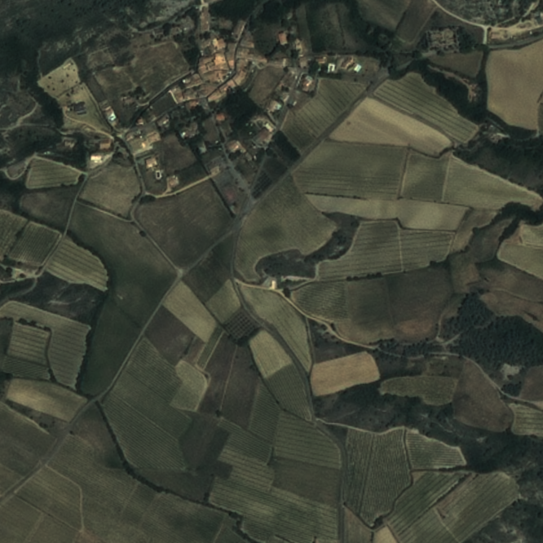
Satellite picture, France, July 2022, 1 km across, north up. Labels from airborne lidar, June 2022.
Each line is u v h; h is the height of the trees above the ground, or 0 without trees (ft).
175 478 0
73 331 0
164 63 0
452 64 0
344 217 0
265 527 0
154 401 0
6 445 0
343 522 0
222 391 0
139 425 0
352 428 0
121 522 0
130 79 0
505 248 0
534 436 24
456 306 0
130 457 0
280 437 0
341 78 46
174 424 0
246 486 0
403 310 0
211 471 0
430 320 0
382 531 0
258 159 28
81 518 0
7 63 17
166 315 0
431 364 0
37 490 0
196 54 41
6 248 0
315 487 0
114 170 0
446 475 0
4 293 24
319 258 24
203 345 0
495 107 0
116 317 0
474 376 0
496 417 0
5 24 0
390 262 0
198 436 0
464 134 0
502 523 0
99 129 0
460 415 0
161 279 0
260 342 0
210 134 0
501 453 18
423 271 0
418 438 0
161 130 30
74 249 0
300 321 0
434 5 0
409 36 0
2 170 0
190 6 40
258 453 0
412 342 0
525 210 22
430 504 0
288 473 0
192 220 0
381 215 0
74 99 0
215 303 0
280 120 0
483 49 45
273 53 37
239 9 29
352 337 0
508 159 20
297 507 0
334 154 0
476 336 27
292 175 0
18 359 0
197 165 21
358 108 0
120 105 0
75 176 0
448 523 0
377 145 0
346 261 0
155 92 0
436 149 0
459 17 0
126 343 0
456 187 0
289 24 55
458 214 0
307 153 0
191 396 0
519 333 29
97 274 0
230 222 0
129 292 0
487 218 0
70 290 0
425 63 25
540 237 0
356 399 26
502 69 0
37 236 0
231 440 0
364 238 0
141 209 0
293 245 0
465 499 0
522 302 0
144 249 0
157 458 0
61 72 0
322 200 0
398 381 0
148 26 38
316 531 0
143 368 0
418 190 0
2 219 0
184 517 0
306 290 0
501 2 20
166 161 0
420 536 0
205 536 0
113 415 0
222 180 0
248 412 0
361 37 22
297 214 0
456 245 0
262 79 0
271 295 0
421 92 0
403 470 0
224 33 35
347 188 0
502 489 0
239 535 29
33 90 21
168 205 0
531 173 0
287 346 0
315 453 0
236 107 22
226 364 0
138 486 0
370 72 0
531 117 0
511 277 0
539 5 19
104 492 0
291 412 0
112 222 0
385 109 0
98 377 0
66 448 0
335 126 0
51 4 0
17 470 0
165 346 0
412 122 0
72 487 0
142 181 0
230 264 0
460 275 0
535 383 0
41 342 0
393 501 0
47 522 0
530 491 0
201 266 0
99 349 0
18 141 0
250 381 0
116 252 0
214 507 21
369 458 0
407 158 0
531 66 0
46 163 0
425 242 0
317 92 0
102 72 0
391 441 0
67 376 0
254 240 0
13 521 0
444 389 0
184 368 0
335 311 0
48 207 0
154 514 0
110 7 29
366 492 0
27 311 0
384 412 0
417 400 28
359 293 0
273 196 0
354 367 0
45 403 0
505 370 0
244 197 0
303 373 0
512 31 0
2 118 0
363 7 0
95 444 0
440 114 0
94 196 0
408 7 0
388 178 0
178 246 0
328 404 0
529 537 0
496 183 0
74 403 0
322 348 0
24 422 0
